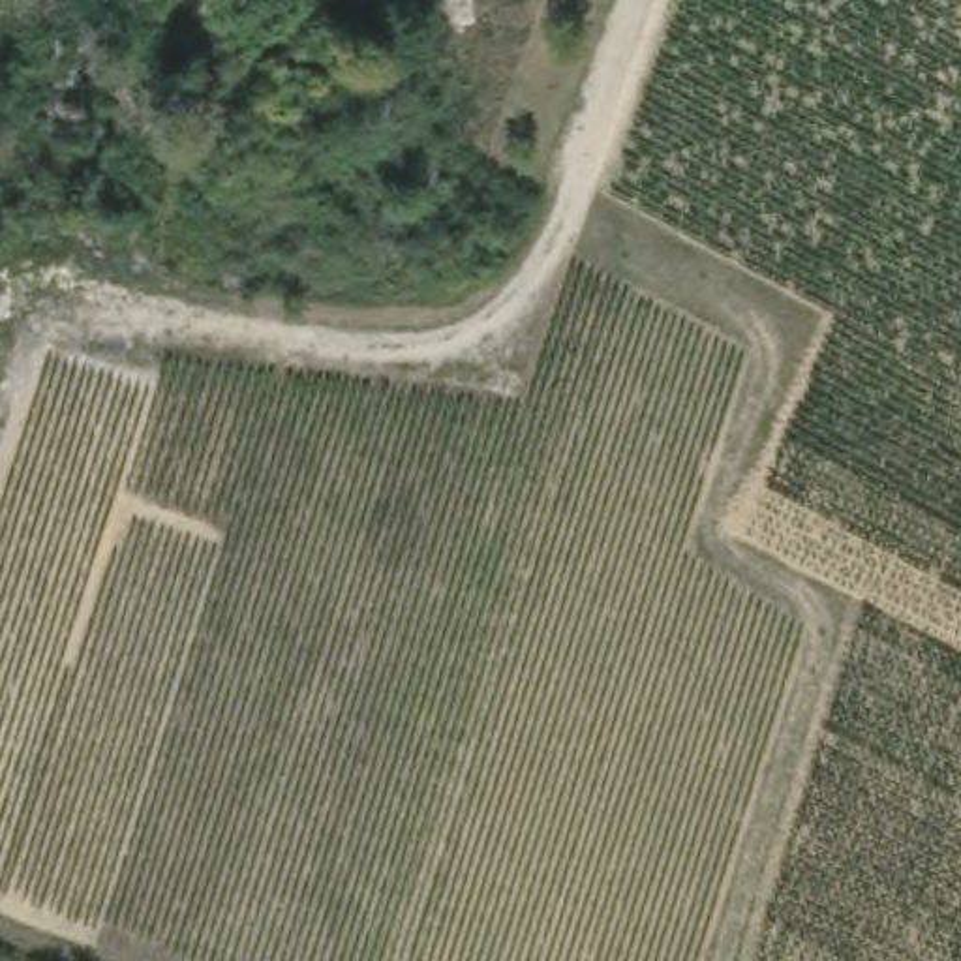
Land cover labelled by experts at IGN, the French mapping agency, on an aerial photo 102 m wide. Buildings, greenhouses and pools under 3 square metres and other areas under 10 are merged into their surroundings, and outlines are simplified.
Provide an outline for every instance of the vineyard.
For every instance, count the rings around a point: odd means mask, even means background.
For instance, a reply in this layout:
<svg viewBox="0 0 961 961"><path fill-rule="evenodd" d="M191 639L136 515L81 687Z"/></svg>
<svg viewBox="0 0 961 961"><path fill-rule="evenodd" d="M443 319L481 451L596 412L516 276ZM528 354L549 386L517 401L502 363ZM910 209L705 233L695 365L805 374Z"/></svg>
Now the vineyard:
<svg viewBox="0 0 961 961"><path fill-rule="evenodd" d="M338 372L319 368L308 353L293 353L285 364L267 364L236 345L218 349L210 345L210 338L199 338L195 345L161 345L158 338L143 334L101 338L94 330L101 308L86 300L86 289L98 282L64 263L23 274L0 270L0 916L11 916L26 927L38 927L86 950L105 931L105 920L120 920L131 931L150 935L154 942L165 942L195 961L961 961L961 0L672 0L664 38L657 45L657 56L642 83L638 109L623 139L623 158L608 173L608 184L593 191L567 267L541 289L529 315L522 315L503 334L484 334L462 360L390 360L360 364L357 372Z"/></svg>

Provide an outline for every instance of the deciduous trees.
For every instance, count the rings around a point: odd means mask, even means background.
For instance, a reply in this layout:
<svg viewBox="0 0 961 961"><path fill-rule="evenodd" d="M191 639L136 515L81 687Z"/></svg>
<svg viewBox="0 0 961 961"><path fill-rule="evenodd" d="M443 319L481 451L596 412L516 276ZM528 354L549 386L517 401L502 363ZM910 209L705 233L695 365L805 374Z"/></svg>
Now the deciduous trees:
<svg viewBox="0 0 961 961"><path fill-rule="evenodd" d="M473 293L499 285L529 255L556 195L541 180L499 165L496 158L473 146L465 124L477 113L473 98L450 105L443 101L450 71L432 64L432 53L450 49L454 26L443 4L432 15L417 11L417 38L383 53L368 41L353 41L345 49L323 19L323 11L315 8L315 0L0 0L0 270L23 274L64 263L98 282L113 282L146 297L176 297L184 304L229 315L297 323L304 315L304 304L462 308Z"/></svg>

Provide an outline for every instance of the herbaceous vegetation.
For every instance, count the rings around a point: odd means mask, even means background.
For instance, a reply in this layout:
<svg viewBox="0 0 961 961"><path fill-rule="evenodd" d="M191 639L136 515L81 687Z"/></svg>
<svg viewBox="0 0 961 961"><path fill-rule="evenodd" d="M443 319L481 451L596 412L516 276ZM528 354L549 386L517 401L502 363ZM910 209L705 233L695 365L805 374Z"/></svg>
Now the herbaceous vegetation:
<svg viewBox="0 0 961 961"><path fill-rule="evenodd" d="M559 150L567 143L571 120L582 113L593 53L604 38L616 0L315 0L315 8L323 11L323 19L345 49L353 41L368 41L383 53L417 38L417 11L432 15L443 4L454 26L450 49L432 53L432 64L450 71L443 101L450 105L473 98L477 113L465 124L473 146L496 158L499 165L541 180L556 195Z"/></svg>
<svg viewBox="0 0 961 961"><path fill-rule="evenodd" d="M0 961L195 961L165 942L154 942L150 935L131 931L120 920L105 920L105 931L86 950L38 927L26 927L11 916L0 916Z"/></svg>
<svg viewBox="0 0 961 961"><path fill-rule="evenodd" d="M499 285L473 293L462 308L304 304L304 315L297 323L349 334L428 334L439 327L458 327L481 308L488 308Z"/></svg>

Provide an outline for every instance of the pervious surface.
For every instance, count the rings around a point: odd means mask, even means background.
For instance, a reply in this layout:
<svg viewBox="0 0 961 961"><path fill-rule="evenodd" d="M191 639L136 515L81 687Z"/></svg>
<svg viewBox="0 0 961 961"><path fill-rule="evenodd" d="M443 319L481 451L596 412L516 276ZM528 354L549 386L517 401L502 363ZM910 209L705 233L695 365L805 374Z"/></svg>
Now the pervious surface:
<svg viewBox="0 0 961 961"><path fill-rule="evenodd" d="M616 0L604 38L593 53L582 113L571 120L567 143L559 150L556 195L529 255L499 285L488 308L481 308L458 327L439 327L428 334L349 334L297 323L229 315L184 304L176 297L146 297L113 282L98 282L86 289L86 300L101 308L94 330L101 338L143 334L158 338L161 345L195 345L199 338L210 338L210 345L218 349L236 345L267 364L285 364L293 353L308 353L319 368L338 372L357 372L360 364L390 360L462 360L484 334L503 334L522 315L529 315L541 289L567 267L593 191L608 184L608 173L623 158L623 139L638 109L642 83L657 56L657 45L664 38L672 0Z"/></svg>

